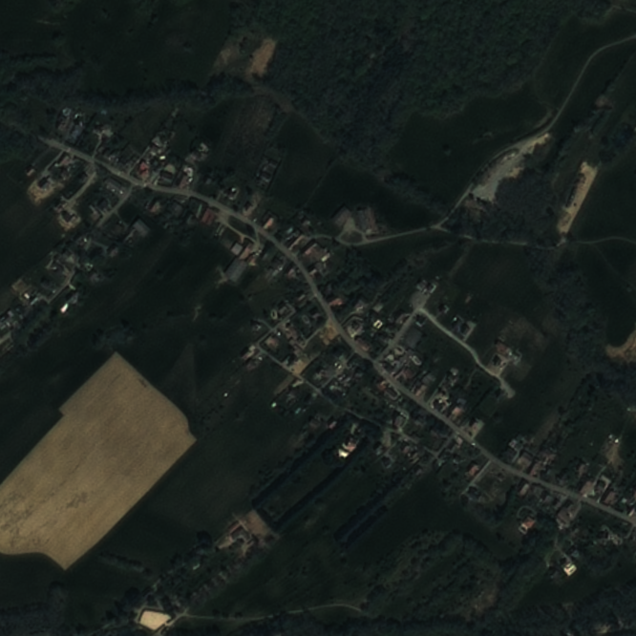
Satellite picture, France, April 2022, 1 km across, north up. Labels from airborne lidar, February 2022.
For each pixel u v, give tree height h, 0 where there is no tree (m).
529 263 8
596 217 0
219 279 0
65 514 0
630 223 0
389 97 17
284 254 0
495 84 24
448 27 27
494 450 0
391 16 21
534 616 22
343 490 0
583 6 21
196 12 0
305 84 22
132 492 0
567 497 0
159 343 0
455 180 0
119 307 0
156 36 0
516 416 0
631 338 0
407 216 0
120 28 0
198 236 0
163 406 0
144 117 0
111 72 0
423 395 0
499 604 10
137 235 11
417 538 6
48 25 0
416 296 0
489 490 0
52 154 0
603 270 0
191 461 0
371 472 0
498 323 0
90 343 0
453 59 28
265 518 14
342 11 23
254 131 0
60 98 22
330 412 0
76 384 0
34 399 0
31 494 0
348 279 18
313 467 0
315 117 21
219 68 0
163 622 0
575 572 0
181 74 0
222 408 6
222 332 0
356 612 0
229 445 0
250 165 0
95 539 0
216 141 0
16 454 0
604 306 0
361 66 23
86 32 0
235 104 0
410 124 0
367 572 13
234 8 15
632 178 0
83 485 0
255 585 0
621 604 26
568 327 25
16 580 0
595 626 24
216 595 15
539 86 0
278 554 0
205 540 13
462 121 0
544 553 21
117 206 0
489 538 0
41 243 0
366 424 13
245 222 0
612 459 0
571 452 0
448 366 0
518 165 0
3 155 26
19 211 0
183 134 0
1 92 26
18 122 25
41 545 0
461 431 0
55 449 0
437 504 0
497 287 0
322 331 0
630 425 0
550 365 0
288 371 0
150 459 0
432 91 26
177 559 12
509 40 26
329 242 0
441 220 0
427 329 0
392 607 0
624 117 0
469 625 15
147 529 0
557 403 0
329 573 0
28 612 19
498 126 0
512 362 0
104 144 6
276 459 0
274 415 0
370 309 0
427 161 0
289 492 0
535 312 0
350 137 21
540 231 19
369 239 0
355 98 20
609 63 0
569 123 0
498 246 0
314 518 0
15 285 0
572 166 0
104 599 0
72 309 13
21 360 0
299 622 22
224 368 0
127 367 0
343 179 0
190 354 0
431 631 28
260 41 0
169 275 0
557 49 0
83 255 19
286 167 0
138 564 14
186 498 0
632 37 0
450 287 0
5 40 0
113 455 0
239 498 0
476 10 27
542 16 28
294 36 23
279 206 0
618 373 28
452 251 0
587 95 0
